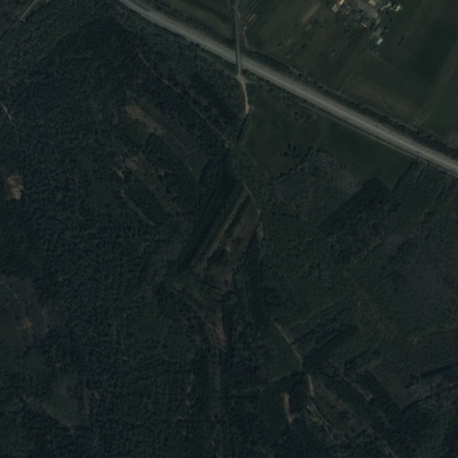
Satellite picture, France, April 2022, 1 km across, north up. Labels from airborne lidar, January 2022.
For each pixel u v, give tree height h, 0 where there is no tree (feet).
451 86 0
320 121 0
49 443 49
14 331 0
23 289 86
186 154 0
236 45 26
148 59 52
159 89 80
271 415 32
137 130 49
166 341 61
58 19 49
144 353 41
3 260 93
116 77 49
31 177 95
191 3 0
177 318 43
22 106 37
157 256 58
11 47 49
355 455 55
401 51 0
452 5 0
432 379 68
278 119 0
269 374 87
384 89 0
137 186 52
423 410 58
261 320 78
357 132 0
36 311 85
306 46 37
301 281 59
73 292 95
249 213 0
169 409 63
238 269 20
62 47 32
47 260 78
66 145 38
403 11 0
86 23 43
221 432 68
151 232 86
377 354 51
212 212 37
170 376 59
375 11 0
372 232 47
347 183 64
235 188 72
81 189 43
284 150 0
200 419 66
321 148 0
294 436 98
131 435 84
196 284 52
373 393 67
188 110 94
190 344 68
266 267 82
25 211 89
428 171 29
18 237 92
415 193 58
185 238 70
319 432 65
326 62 0
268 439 92
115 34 59
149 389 48
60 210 75
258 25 0
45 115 37
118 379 59
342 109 0
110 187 18
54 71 48
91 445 109
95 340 52
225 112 32
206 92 44
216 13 0
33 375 79
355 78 0
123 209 45
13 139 72
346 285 59
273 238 60
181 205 88
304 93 0
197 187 87
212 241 29
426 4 0
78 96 40
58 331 52
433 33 0
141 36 41
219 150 80
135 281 43
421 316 52
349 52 0
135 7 0
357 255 51
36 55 40
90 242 32
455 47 0
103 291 67
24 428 56
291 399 79
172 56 68
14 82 31
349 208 29
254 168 61
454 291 67
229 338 30
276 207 43
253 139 0
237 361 93
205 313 78
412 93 0
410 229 45
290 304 60
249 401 59
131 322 43
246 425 41
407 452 88
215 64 32
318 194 55
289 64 0
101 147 43
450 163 0
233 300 73
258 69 0
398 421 61
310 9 0
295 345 38
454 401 54
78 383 56
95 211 37
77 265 86
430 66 0
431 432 58
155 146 71
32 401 58
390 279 64
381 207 34
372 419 72
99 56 30
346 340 65
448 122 0
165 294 45
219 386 91
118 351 28
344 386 83
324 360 83
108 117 38
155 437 67
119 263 36
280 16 0
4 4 60
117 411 51
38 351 88
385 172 0
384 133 0
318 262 55
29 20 40
